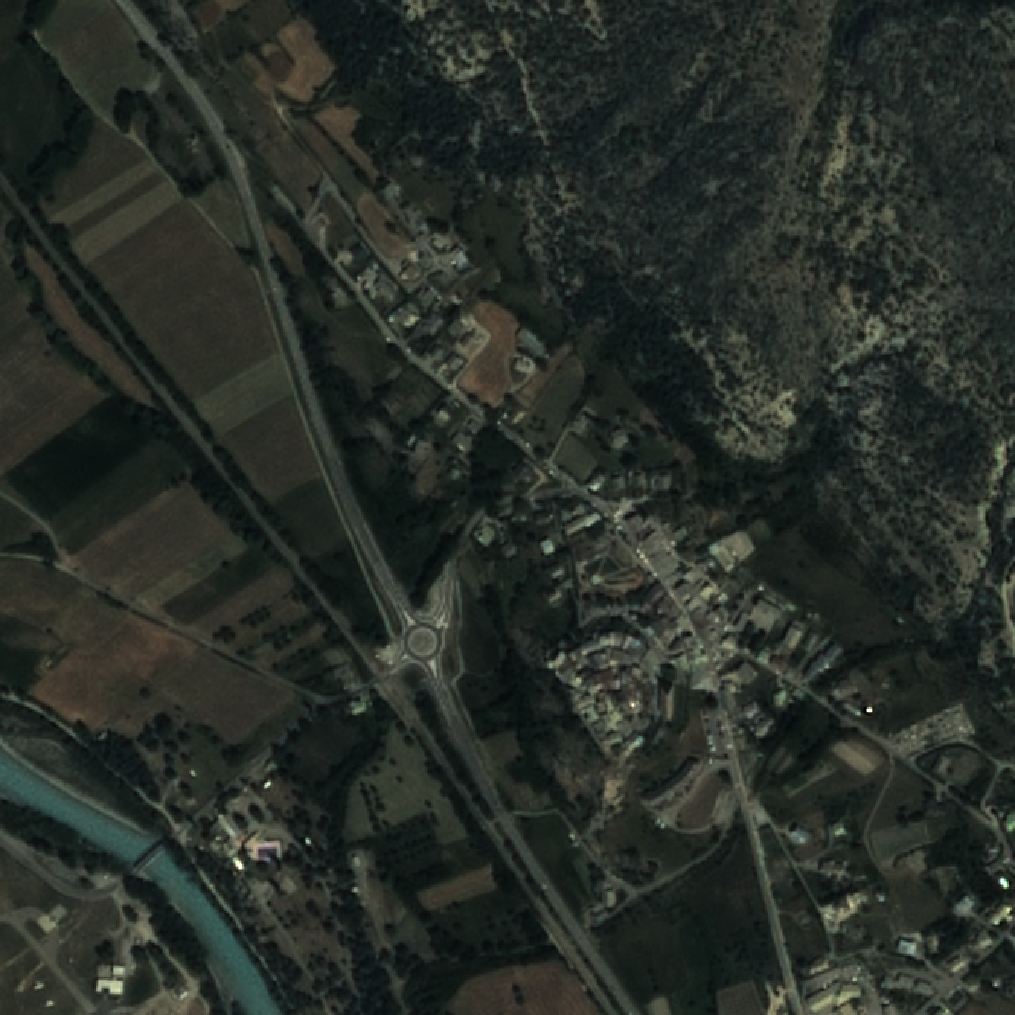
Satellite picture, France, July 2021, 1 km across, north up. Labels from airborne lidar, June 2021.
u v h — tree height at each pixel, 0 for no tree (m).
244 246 0
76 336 0
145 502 0
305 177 0
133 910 13
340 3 19
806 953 0
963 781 0
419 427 10
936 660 9
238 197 0
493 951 11
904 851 0
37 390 0
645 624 10
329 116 0
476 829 14
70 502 0
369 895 0
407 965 8
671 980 0
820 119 11
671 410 9
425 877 8
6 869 0
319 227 0
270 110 0
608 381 0
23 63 0
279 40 0
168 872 0
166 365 0
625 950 0
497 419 10
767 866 0
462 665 0
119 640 0
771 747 9
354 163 8
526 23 7
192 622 0
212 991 13
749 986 0
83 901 0
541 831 0
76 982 0
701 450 11
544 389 0
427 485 0
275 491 0
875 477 0
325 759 0
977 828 0
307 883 10
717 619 0
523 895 11
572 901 0
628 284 6
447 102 9
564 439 0
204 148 0
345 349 0
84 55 0
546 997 0
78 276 9
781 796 0
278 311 0
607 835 0
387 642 9
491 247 11
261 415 0
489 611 14
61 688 0
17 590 0
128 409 14
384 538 0
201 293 0
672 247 18
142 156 0
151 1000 0
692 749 0
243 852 6
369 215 0
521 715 13
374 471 0
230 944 0
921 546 7
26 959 0
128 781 10
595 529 12
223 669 0
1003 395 7
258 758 0
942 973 0
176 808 8
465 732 0
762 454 0
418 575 0
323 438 0
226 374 0
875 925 0
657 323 10
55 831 8
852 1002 9
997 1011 0
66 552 0
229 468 13
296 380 0
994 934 10
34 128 0
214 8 0
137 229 0
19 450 0
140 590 0
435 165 6
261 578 0
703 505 7
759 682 0
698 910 0
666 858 0
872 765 0
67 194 0
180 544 0
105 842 0
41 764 0
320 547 0
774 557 0
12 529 0
